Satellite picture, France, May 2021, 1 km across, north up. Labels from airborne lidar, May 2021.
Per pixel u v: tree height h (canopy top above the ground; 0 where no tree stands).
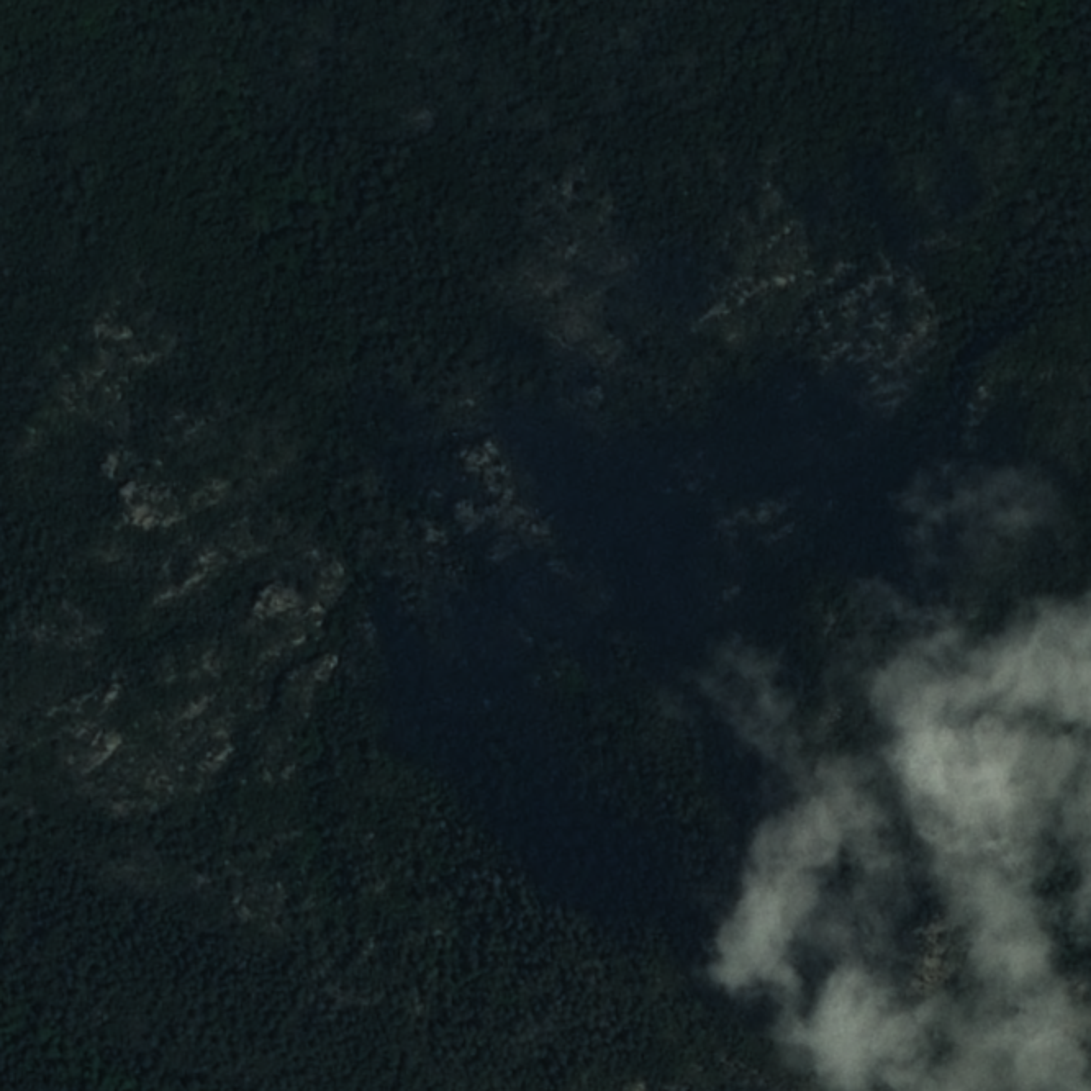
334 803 11
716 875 19
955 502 9
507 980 23
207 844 13
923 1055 22
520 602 9
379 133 11
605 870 7
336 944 17
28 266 9
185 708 9
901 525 12
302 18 12
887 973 13
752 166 6
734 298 8
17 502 7
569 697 9
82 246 13
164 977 16
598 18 9
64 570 10
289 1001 13
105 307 7
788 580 18
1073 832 30
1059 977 6
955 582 9
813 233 10
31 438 8
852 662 16
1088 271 10
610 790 19
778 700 13
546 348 9
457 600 11
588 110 13
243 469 7
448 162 12
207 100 17
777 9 15
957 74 9
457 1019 26
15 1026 11
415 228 9
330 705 17
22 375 7
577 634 7
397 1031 15
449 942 23
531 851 30
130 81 7
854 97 9
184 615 17
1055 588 13
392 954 12
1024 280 13
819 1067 12
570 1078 19
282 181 24
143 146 12
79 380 8
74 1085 9
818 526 12
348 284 16
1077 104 12
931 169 12
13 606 7
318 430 9
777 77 7
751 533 12
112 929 16
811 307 10
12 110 13
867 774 8
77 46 6
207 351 13
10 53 15
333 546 8
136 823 7
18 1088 23
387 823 12
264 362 6
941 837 6
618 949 27
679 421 6
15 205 8
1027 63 17
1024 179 9
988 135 18
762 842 24
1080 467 8
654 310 8
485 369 6
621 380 6
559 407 6
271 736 6
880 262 9
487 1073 17
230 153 15
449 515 10
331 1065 14
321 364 6
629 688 7
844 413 10
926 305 15
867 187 20
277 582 8
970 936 9
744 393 14
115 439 6
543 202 7
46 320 9
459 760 10
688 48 8
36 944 20
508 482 8
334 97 12
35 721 9
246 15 18
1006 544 14
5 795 13
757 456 7
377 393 13
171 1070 8
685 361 8
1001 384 8
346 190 17
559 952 19
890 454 19
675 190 9
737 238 7
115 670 6
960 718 7
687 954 20
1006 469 7
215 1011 16
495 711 6
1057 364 8
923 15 11
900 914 22
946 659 10
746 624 13
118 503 11
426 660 7
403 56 9
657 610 11
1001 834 10
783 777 6
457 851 15
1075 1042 7
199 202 14
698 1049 13
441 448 6
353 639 7
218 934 8
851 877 20
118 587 10
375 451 9
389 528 7
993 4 21
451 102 8
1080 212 11
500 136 11
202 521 11
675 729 8
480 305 8
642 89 12
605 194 12
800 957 7
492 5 11
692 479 6
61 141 8
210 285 11
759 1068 6
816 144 13
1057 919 7
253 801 9
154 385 11
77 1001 18
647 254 7
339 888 7
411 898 14
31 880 15
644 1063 15
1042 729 13
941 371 16
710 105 9
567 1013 25
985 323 23
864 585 7
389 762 13
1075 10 10
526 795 18
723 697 11
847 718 10
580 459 6
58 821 7
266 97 7
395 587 15
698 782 16
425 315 14
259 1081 5
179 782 6
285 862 10
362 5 16
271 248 28
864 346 7
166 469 7
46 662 8
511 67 12
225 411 6
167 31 15
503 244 10
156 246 8
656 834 15
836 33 14
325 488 20
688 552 7
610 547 9
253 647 13
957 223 7
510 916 18
